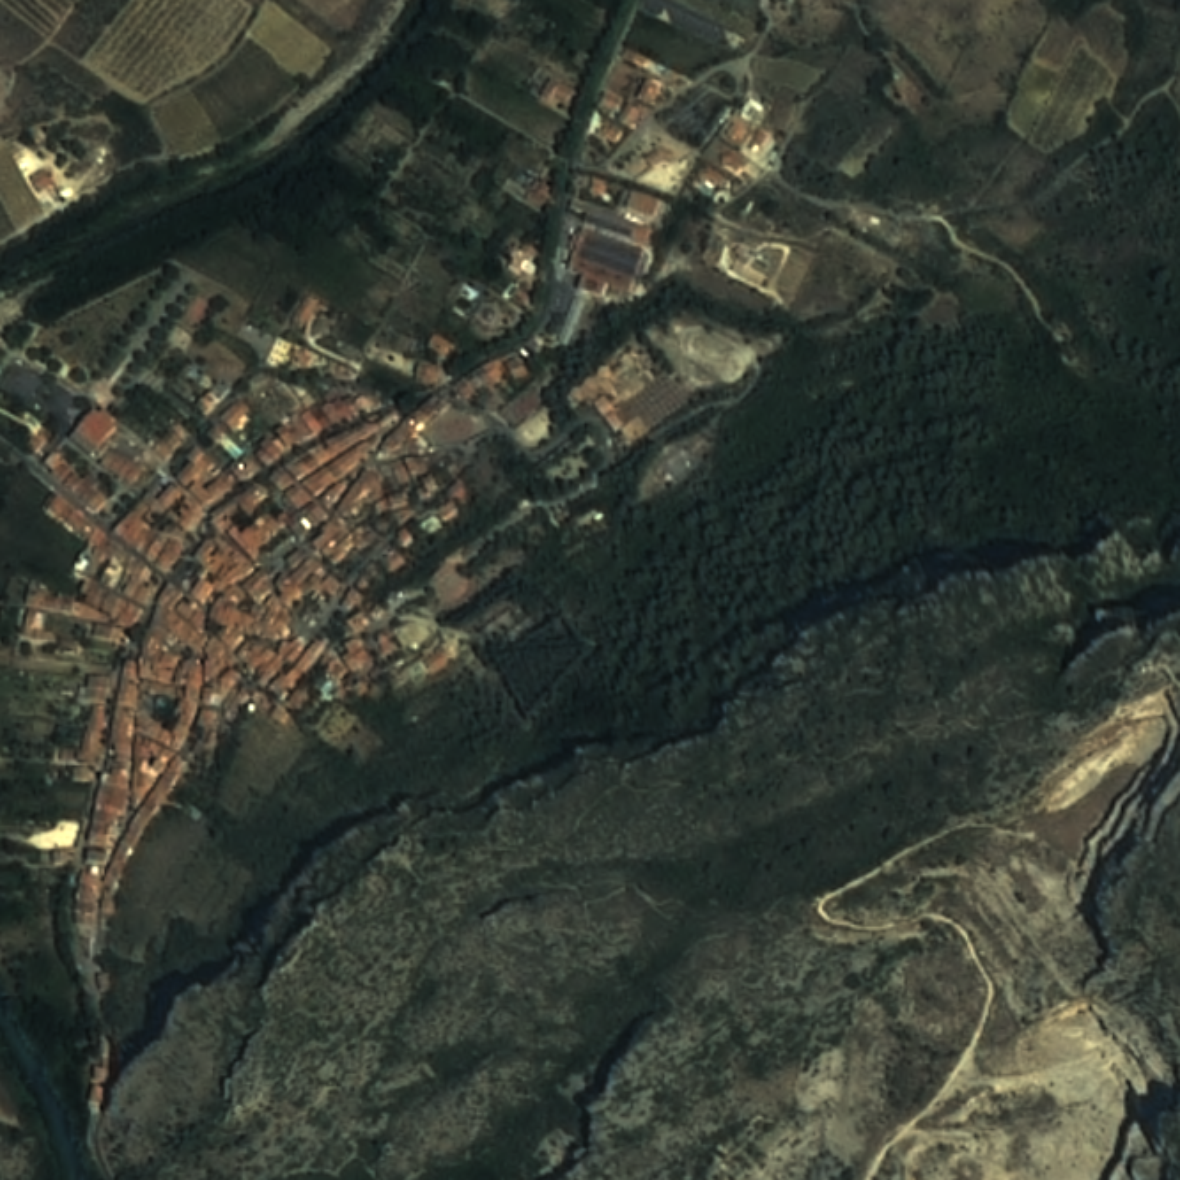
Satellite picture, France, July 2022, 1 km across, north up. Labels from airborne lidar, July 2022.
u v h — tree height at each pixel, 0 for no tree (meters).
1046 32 0
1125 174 9
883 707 0
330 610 0
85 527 0
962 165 0
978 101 0
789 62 0
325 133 17
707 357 0
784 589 6
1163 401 7
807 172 12
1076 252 0
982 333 11
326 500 0
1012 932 0
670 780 0
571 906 0
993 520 6
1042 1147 0
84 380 9
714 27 0
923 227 0
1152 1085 0
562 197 15
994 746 0
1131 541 8
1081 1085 0
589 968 0
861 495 16
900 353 22
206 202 13
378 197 11
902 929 0
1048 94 0
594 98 15
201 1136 7
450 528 8
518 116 0
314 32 0
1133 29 9
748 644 12
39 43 0
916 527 13
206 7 0
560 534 7
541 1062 0
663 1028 0
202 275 0
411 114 9
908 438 14
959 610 0
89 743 0
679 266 0
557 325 8
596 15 0
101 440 0
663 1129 0
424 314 0
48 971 0
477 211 0
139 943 0
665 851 0
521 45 0
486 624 10
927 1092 5
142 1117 0
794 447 12
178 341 0
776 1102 0
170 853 0
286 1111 0
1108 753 0
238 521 11
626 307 10
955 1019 0
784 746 6
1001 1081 0
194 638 0
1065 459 6
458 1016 0
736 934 0
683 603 17
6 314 0
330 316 7
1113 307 5
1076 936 0
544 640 11
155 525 8
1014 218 0
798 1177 0
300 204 25
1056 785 0
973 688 0
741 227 0
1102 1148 0
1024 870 0
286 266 0
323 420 0
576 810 0
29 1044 8
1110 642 0
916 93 0
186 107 0
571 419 13
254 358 0
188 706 0
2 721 0
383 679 7
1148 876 0
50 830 0
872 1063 0
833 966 0
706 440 0
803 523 14
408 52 16
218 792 7
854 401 11
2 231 0
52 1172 10
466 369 17
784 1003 0
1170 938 0
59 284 9
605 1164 0
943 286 10
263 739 0
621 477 13
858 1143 0
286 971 8
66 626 0
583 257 0
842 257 0
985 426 7
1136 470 10
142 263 9
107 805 0
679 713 13
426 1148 0
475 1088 0
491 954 0
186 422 7
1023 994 0
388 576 7
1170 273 14
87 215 15
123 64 0
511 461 9
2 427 8
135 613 0
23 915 7
